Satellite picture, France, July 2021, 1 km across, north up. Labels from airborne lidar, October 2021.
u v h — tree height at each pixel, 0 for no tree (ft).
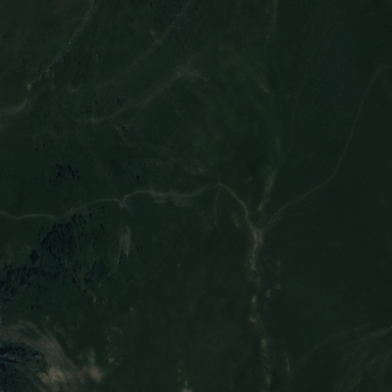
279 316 0
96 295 0
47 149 0
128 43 0
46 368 0
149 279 0
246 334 0
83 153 0
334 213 0
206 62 0
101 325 0
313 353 0
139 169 0
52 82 0
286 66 0
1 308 0
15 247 0
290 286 0
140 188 0
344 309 0
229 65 0
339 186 0
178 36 0
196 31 0
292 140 0
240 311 0
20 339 0
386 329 0
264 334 0
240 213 0
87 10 0
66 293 0
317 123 0
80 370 0
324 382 0
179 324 0
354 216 0
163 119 0
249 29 0
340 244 0
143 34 0
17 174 0
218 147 0
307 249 0
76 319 0
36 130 0
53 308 0
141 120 0
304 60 0
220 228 0
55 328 0
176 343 0
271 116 0
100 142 0
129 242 0
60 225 42
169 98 0
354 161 0
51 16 0
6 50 0
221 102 0
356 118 0
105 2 0
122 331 0
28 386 0
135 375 0
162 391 0
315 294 0
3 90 0
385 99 0
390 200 0
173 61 0
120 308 0
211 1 0
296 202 0
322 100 0
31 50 0
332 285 0
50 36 0
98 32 0
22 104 0
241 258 0
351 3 0
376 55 0
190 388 0
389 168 0
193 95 0
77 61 0
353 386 0
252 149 0
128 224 0
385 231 0
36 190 0
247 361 0
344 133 0
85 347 0
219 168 0
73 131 0
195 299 0
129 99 0
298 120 0
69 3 0
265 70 0
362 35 0
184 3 0
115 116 0
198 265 0
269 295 0
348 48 0
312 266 0
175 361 0
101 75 0
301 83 0
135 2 0
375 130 0
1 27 0
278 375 0
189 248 0
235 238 0
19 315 0
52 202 0
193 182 0
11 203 0
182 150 0
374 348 0
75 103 0
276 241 0
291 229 0
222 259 0
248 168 0
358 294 0
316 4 0
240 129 0
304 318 0
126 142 0
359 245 0
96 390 0
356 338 0
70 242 34
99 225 0
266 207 0
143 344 0
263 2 0
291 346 0
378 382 0
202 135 0
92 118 0
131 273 0
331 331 0
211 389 0
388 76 0
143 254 0
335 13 0
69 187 0
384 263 0
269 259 0
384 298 0
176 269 0
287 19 0
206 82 0
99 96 0
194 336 0
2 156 0
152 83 0
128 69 0
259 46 0
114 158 0
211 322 0
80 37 0
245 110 0
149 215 0
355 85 0
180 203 0
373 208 0
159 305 0
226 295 0
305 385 0
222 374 0
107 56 0
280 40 0
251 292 0
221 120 0
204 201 0
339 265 0
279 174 0
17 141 0
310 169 0
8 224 0
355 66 0
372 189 0
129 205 0
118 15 0
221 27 0
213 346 0
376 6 0
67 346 0
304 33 0
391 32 0
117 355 0
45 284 0
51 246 23
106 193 0
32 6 0
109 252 0
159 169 0
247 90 0
